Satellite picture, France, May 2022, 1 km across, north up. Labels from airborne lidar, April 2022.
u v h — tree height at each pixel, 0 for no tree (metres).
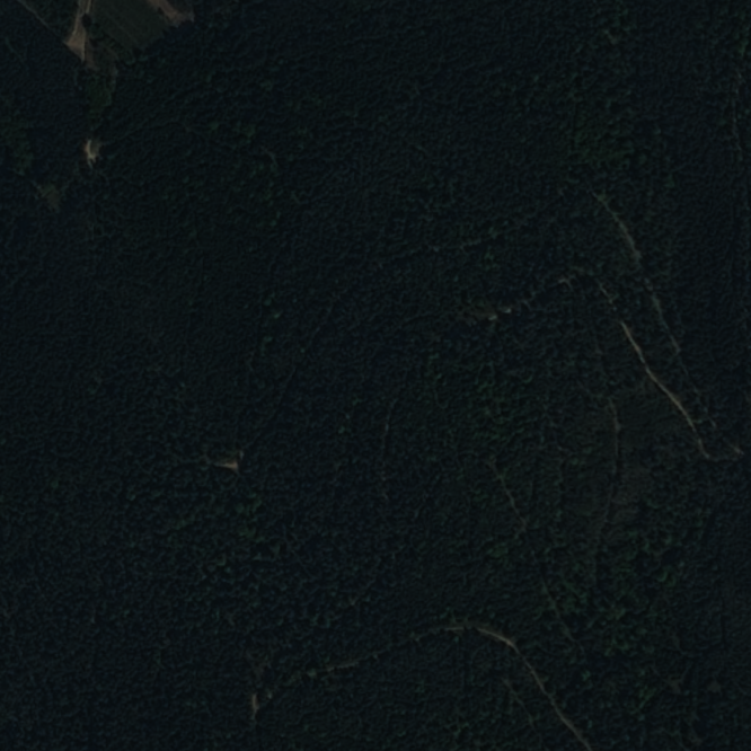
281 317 11
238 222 18
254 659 28
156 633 30
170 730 29
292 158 23
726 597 20
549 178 14
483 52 23
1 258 30
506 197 26
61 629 29
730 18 22
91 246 23
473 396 16
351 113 23
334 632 14
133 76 13
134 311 24
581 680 33
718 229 32
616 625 16
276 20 30
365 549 30
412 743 13
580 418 17
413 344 9
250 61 29
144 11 0
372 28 32
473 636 12
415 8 32
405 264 21
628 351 14
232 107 22
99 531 26
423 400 12
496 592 15
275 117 25
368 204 14
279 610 34
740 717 24
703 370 27
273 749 13
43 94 33
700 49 30
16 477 20
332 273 24
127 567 28
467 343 17
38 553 11
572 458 18
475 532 14
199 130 19
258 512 32
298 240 21
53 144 29
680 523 33
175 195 18
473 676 15
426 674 16
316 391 9
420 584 18
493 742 8
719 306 31
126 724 30
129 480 26
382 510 28
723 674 23
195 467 10
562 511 19
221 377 18
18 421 27
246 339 17
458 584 14
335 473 30
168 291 21
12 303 26
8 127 12
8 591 9
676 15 30
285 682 23
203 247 15
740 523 25
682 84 27
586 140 12
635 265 11
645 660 11
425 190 16
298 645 14
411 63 24
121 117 18
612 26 32
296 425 28
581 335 18
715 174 31
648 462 33
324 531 30
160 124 10
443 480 10
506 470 15
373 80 28
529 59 25
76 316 26
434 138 26
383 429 8
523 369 16
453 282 14
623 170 11
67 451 29
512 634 20
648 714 13
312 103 27
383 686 14
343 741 12
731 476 28
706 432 31
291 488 33
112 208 15
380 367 28
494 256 12
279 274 19
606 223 32
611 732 20
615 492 17
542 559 17
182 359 21
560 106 16
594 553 14
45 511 27
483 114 24
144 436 23
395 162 26
